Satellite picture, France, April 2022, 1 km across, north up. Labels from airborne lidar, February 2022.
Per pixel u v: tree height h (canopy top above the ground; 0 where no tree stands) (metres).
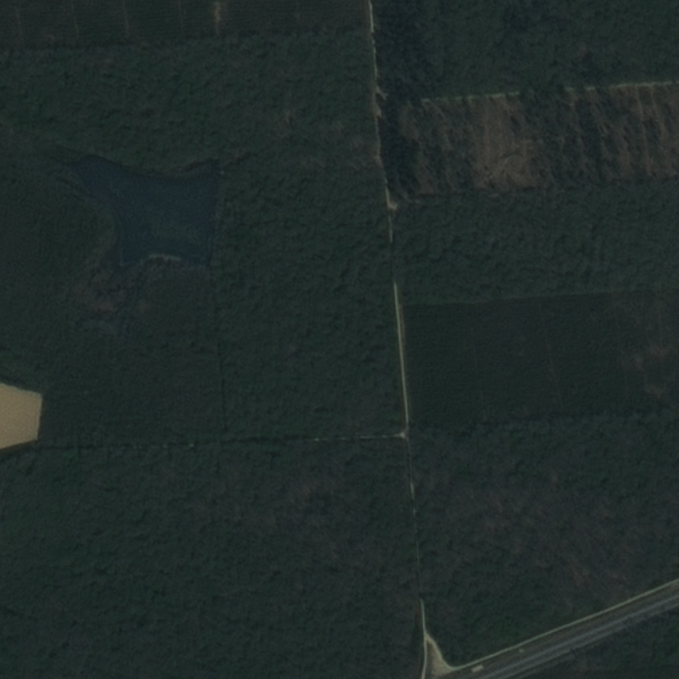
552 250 23
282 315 25
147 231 0
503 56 27
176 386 15
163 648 24
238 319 20
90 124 24
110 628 26
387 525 22
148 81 27
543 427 26
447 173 23
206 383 15
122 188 0
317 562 22
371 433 18
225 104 23
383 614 22
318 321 25
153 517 25
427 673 0
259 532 26
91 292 0
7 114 27
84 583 26
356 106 23
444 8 21
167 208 0
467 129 20
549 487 27
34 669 21
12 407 0
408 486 23
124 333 18
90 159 0
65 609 24
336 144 27
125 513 22
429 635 0
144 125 26
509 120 0
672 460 25
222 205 23
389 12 22
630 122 24
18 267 17
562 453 27
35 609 23
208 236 0
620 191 21
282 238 23
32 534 25
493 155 0
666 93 0
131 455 26
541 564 22
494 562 21
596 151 26
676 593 0
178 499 23
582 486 29
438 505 24
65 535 26
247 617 24
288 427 23
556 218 23
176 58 21
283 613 25
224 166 14
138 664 27
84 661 25
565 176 23
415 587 20
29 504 26
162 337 16
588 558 26
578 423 17
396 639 25
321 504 23
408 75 29
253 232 20
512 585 26
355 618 23
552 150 27
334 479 28
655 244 24
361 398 19
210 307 17
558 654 0
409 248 20
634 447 31
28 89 26
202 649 24
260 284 26
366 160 24
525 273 23
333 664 25
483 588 21
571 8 23
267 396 21
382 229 19
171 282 18
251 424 23
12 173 18
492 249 24
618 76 20
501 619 25
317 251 23
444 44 27
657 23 26
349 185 23
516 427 24
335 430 24
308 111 21
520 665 0
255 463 23
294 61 24
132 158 20
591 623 0
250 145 22
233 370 22
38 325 19
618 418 28
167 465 27
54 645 24
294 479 26
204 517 21
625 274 25
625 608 0
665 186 22
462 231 23
